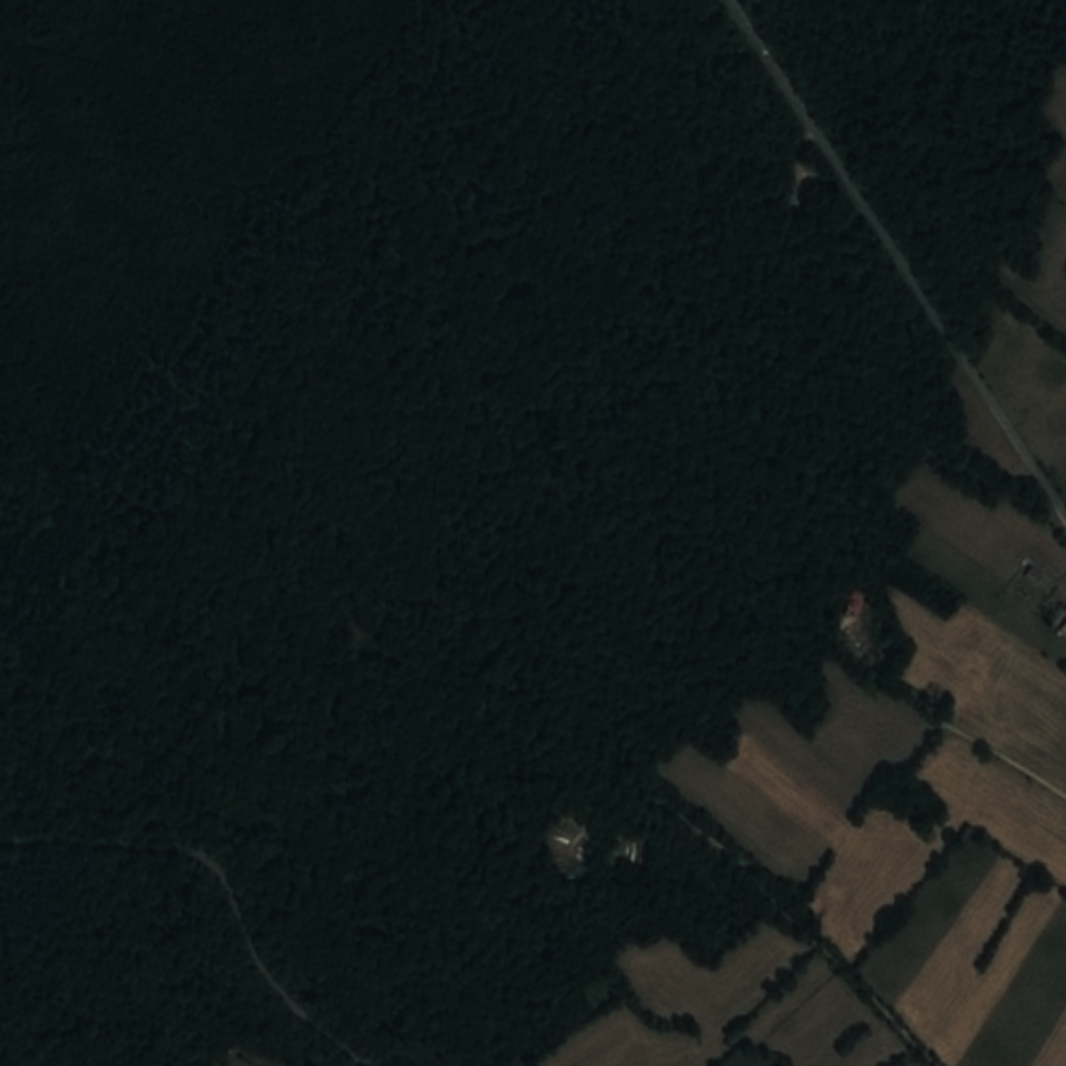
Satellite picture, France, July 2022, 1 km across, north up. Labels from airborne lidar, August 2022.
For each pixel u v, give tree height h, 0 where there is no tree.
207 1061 16
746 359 14
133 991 18
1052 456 0
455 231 20
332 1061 16
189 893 20
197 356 21
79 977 18
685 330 24
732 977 0
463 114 22
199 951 18
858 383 20
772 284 19
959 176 22
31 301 15
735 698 13
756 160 20
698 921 13
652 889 15
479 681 19
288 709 20
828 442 22
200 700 24
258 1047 16
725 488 22
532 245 18
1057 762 0
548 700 20
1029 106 7
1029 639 0
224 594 23
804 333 16
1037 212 17
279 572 17
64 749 19
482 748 17
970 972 0
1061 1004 0
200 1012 19
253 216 15
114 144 14
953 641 0
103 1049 18
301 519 20
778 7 26
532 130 22
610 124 22
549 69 21
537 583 21
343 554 18
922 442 18
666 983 0
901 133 25
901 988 0
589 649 20
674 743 18
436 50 21
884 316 16
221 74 14
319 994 14
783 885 14
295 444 22
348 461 18
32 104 15
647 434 21
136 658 15
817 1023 0
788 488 23
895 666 16
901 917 14
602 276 18
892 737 0
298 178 13
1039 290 0
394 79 22
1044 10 22
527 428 23
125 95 15
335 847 18
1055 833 0
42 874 26
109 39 9
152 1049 20
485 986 17
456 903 15
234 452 22
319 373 23
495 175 22
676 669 19
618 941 17
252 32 14
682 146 21
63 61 11
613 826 20
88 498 19
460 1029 20
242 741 18
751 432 21
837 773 0
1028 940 0
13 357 11
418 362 24
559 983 16
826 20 26
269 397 22
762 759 0
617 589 21
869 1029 11
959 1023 0
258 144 13
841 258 23
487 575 20
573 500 18
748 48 9
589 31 18
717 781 0
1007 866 0
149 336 12
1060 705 0
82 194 13
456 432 16
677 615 20
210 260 13
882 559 24
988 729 0
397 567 17
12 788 16
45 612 11
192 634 20
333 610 19
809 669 20
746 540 24
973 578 0
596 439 21
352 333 21
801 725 17
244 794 20
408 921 17
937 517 0
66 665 16
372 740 19
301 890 25
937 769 0
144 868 17
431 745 16
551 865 16
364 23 13
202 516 21
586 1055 0
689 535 20
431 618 18
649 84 19
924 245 18
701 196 23
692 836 16
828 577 20
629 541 18
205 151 11
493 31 22
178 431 21
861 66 11
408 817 21
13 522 17
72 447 15
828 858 10
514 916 17
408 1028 22
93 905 16
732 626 22
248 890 18
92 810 17
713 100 21
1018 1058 0
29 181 14
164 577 23
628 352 23
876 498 23
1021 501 19
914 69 12
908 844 0
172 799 20
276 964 17
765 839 0
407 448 18
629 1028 0
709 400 21
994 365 0
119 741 18
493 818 23
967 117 20
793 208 11
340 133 18
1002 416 0
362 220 22
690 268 20
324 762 20
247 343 30
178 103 15
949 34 9
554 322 24
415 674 23
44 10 11
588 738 16
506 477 21
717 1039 0
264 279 21
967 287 19
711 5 15
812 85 17
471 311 21
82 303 11
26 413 11
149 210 12
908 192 14
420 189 17
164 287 10
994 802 0
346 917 18
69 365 14
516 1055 13
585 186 18
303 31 12
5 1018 19
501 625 21
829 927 0
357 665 19
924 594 9
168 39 15
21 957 23
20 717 18
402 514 20
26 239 9
